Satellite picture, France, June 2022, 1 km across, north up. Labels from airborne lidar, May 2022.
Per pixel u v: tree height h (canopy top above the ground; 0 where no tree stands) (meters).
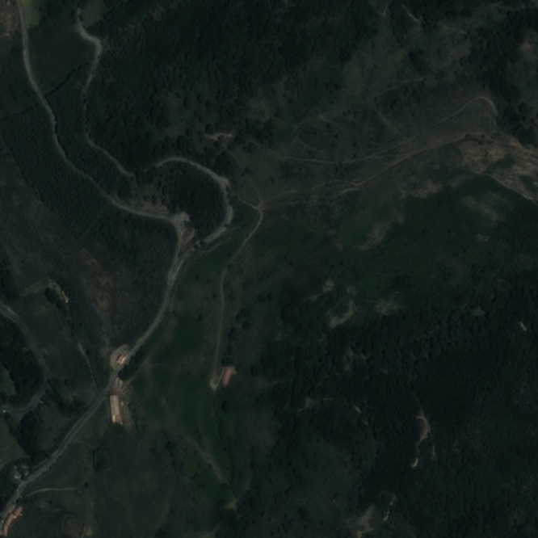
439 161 0
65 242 0
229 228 8
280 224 0
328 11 13
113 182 19
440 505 11
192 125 0
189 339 0
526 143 14
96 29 12
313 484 0
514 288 10
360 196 0
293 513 0
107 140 18
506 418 19
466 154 0
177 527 0
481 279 6
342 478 0
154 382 0
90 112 17
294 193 0
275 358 16
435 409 11
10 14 0
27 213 0
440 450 11
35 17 0
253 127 7
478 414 10
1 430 0
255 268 0
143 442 0
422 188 0
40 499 0
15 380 25
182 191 11
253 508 10
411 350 15
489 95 0
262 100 0
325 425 14
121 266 0
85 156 23
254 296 0
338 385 13
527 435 12
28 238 0
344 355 27
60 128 16
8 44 0
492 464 16
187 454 0
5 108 7
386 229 0
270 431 0
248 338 0
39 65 0
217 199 8
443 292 6
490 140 0
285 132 0
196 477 8
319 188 0
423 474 12
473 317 23
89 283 0
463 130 0
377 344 30
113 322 0
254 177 0
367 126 0
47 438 0
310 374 22
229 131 0
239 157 0
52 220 0
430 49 0
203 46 18
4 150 7
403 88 0
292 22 7
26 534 0
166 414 0
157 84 7
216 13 21
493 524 17
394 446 11
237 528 15
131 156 21
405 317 22
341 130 0
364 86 0
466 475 11
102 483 0
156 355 0
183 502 0
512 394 20
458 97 0
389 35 0
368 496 12
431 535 26
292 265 9
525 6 7
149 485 0
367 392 17
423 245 0
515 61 16
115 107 10
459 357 18
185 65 12
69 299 8
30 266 0
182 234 0
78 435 0
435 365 16
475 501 13
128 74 13
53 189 19
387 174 0
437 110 0
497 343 6
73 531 0
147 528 0
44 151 18
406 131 0
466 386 14
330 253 0
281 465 13
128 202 0
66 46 0
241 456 0
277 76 8
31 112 17
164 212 0
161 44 19
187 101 13
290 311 20
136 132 18
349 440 15
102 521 0
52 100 19
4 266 9
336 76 0
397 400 18
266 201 0
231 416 0
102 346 0
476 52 13
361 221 0
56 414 0
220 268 0
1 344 20
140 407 0
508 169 0
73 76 18
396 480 16
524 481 20
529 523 19
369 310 6
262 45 8
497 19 0
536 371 11
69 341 0
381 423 9
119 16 19
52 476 0
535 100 0
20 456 0
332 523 0
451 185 0
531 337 11
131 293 0
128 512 0
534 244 6
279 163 0
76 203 18
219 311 0
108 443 0
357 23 18
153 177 7
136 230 8
